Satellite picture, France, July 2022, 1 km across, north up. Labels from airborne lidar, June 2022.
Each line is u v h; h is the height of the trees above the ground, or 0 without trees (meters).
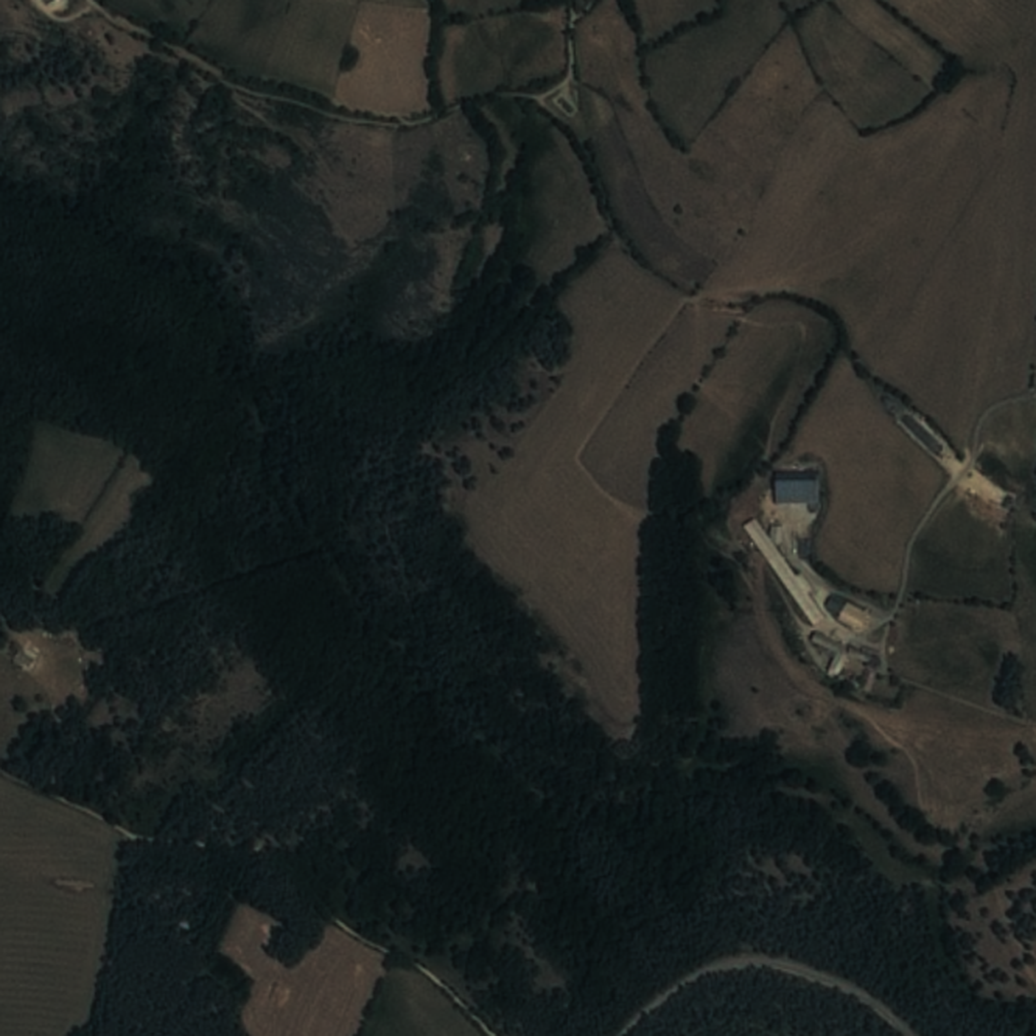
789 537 0
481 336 21
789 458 0
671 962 17
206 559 14
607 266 0
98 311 25
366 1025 8
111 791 16
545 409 0
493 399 13
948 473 0
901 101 0
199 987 21
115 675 14
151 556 23
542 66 0
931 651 0
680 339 0
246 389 22
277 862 16
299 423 16
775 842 16
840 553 0
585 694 0
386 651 12
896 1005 12
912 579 0
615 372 0
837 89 0
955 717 0
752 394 0
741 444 0
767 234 0
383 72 0
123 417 15
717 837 15
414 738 12
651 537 20
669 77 0
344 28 0
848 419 0
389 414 19
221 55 0
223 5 0
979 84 0
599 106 0
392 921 12
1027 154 0
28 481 0
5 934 0
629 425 0
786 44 0
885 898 19
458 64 0
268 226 0
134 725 17
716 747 12
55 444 0
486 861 15
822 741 0
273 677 11
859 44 0
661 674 22
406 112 0
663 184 0
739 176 0
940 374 0
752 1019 14
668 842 20
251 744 5
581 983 9
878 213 0
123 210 7
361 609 15
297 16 0
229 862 15
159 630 17
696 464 23
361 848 14
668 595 20
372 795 11
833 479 0
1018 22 0
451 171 0
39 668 0
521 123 0
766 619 0
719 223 0
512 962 11
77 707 10
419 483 9
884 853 0
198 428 13
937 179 0
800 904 9
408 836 9
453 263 0
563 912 17
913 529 0
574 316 0
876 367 0
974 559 0
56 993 0
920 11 0
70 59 11
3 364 21
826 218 0
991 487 0
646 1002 13
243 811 15
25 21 0
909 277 0
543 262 0
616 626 0
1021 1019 18
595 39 0
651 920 17
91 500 0
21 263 23
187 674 13
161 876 20
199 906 12
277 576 18
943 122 0
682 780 22
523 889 6
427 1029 0
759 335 0
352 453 10
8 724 0
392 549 13
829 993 9
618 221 8
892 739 0
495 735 20
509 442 0
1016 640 0
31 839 0
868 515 0
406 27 0
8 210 22
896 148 0
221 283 25
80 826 0
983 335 0
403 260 0
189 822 16
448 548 11
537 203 0
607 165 0
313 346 21
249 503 17
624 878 23
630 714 0
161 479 10
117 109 14
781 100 0
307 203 0
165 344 17
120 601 13
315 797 14
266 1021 0
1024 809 0
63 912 0
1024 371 0
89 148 9
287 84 8
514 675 10
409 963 13
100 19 0
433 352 15
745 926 13
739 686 0
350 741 12
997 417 0
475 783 18
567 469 0
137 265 22
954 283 0
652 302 0
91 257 19
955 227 0
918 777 0
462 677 17
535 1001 11
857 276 0
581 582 0
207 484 17
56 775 19
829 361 8
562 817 23
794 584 0
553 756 11
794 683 0
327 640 15
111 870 0
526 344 15
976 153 0
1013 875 12
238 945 0
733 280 0
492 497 0
